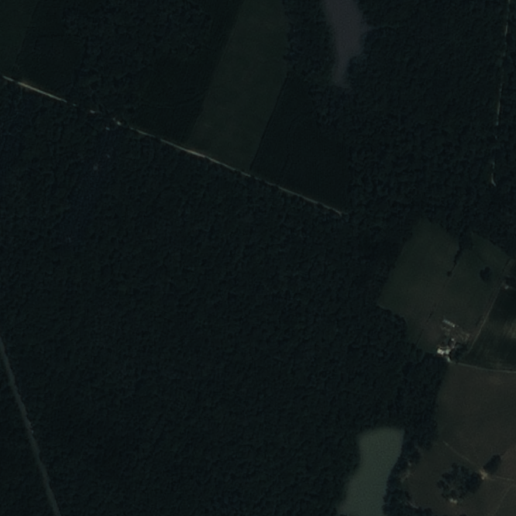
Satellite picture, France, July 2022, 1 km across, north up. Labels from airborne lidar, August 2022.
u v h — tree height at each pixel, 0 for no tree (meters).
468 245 18
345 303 23
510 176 11
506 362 0
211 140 0
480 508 0
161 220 24
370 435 0
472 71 18
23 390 21
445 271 0
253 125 0
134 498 13
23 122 19
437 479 0
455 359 14
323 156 9
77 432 23
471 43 20
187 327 18
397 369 19
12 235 19
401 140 24
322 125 23
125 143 19
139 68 26
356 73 16
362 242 10
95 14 9
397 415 19
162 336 17
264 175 7
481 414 0
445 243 0
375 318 23
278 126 9
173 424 24
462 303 0
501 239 19
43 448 12
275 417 19
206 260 19
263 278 20
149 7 23
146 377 23
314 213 21
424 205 12
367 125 23
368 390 23
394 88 21
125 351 17
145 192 22
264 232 25
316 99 19
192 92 8
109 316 15
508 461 0
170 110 6
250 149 0
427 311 0
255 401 14
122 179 16
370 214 15
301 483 20
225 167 19
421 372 24
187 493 17
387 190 23
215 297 22
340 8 0
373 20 15
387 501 15
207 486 16
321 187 8
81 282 16
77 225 19
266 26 0
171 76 7
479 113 17
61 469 21
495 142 24
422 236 0
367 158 16
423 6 22
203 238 29
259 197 22
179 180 22
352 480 0
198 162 19
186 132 6
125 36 24
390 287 0
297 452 18
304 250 21
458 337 0
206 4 6
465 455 0
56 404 21
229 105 0
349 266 25
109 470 18
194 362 11
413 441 15
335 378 22
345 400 20
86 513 21
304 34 28
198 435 17
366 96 21
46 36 12
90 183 17
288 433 16
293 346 19
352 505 0
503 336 0
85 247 24
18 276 22
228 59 0
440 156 23
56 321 25
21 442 22
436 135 21
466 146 16
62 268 21
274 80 0
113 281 20
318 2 17
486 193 26
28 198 15
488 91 16
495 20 15
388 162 20
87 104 26
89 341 22
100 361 20
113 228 25
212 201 19
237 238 25
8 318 19
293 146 11
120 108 27
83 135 23
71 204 18
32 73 6
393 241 14
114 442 22
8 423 28
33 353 22
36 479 18
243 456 19
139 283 23
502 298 0
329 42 21
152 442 13
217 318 20
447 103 17
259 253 27
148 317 18
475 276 0
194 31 24
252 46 0
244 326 23
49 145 23
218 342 15
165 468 14
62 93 8
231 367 21
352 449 14
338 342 23
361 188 15
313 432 20
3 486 19
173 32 29
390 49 21
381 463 0
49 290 24
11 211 24
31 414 12
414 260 0
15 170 24
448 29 22
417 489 0
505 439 0
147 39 21
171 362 18
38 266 18
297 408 18
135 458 16
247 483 24
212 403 20
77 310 19
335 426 18
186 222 27
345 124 23
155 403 16
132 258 24
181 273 23
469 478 13
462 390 0
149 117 7
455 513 0
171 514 17
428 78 22
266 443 26
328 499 18
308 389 24
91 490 20
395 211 11
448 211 15
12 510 23
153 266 24
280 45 0
